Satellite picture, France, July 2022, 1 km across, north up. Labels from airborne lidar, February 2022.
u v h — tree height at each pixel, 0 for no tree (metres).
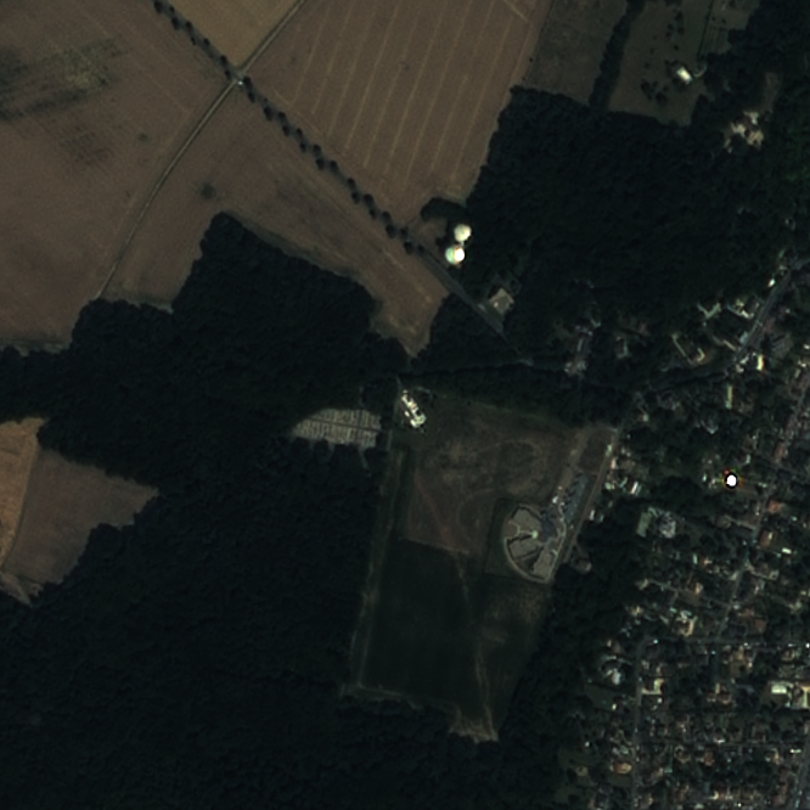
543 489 0
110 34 0
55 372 24
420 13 0
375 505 19
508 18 0
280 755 27
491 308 0
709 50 0
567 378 22
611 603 22
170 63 0
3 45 0
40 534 0
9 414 21
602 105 20
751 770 12
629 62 0
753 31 15
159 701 23
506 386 14
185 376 21
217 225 16
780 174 21
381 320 0
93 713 23
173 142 0
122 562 25
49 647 27
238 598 30
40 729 28
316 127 0
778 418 6
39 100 0
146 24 0
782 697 0
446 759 25
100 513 0
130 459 25
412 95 0
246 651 26
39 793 26
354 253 0
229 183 0
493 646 0
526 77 0
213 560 27
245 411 27
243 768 22
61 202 0
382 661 0
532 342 16
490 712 0
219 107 0
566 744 18
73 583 9
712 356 0
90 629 26
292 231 0
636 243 25
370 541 19
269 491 26
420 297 0
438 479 0
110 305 8
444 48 0
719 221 30
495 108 0
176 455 24
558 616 9
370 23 0
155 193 0
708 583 6
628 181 28
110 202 0
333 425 0
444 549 0
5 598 18
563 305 23
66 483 0
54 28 0
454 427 0
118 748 18
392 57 0
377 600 0
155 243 0
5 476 0
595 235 23
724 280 18
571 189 26
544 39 0
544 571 0
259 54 0
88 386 24
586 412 20
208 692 24
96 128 0
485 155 0
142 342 20
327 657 25
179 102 0
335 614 26
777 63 21
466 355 19
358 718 16
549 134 22
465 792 27
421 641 0
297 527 22
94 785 19
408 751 24
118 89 0
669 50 0
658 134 18
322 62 0
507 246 22
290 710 28
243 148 0
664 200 29
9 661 24
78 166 0
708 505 9
